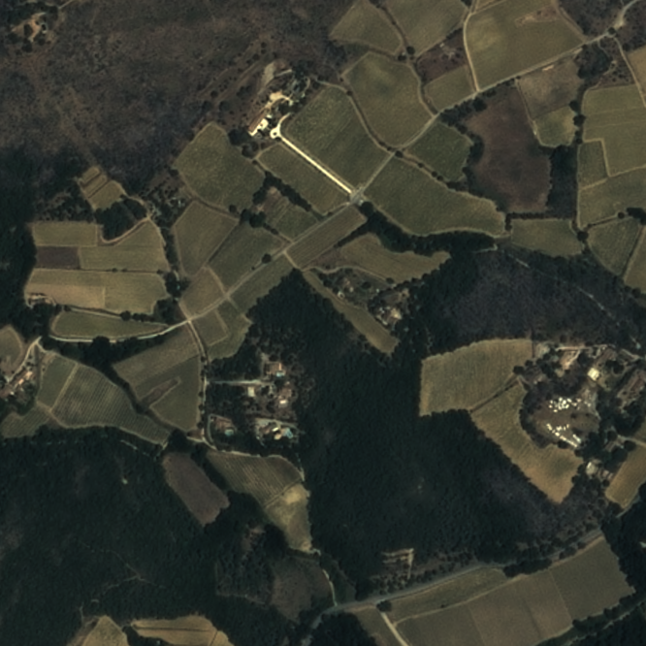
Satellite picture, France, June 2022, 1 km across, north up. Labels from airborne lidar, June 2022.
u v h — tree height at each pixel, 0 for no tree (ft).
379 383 27
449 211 0
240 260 0
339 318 20
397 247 38
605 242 0
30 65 0
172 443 21
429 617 0
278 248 0
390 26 0
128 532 31
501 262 24
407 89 0
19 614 29
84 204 26
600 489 25
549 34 0
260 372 24
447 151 0
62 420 0
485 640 0
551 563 44
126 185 27
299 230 0
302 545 0
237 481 0
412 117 0
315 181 0
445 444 35
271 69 0
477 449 34
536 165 0
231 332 0
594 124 0
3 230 32
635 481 0
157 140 37
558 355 27
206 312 0
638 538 52
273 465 0
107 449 25
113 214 44
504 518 27
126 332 0
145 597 21
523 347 0
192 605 30
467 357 0
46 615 26
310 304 18
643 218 44
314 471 20
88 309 0
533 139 0
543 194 0
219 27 0
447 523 48
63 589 26
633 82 0
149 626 0
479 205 0
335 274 21
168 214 33
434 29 0
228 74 0
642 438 0
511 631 0
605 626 42
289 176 0
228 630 27
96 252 0
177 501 26
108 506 24
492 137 0
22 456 37
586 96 0
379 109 0
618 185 0
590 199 0
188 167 0
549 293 30
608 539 47
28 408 23
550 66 0
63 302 0
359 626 45
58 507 20
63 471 24
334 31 0
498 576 0
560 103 0
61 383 0
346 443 24
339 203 0
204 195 0
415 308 42
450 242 44
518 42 0
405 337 37
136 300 0
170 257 47
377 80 0
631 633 68
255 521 43
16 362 0
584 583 0
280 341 24
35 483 22
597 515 30
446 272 25
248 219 33
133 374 0
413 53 37
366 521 26
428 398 0
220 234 0
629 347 34
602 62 33
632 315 49
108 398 0
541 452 0
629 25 0
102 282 0
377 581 25
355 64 0
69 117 0
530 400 39
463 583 0
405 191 0
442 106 0
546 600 0
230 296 0
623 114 0
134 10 0
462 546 40
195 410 0
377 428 24
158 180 0
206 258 0
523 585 0
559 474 0
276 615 32
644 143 0
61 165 29
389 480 29
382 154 0
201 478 0
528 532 21
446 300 30
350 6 0
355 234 35
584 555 0
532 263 43
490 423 0
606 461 41
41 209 19
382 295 41
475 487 36
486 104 31
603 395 54
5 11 42
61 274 0
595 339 0
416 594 0
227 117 40
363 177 0
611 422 52
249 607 24
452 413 37
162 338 37
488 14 0
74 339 0
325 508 42
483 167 0
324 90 0
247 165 0
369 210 45
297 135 0
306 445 38
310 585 0
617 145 0
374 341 0
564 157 58
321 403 24
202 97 0
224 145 0
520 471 32
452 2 0
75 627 23
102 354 47
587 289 49
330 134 0
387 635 0
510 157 0
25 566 28
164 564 22
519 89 0
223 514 39
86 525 19
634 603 42
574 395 32
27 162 25
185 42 0
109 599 33
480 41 0
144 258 0
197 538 35
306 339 27
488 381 0
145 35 0
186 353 0
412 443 23
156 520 22
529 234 0
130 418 0
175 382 0
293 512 0
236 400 35
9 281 28
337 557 48
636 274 0
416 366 35
